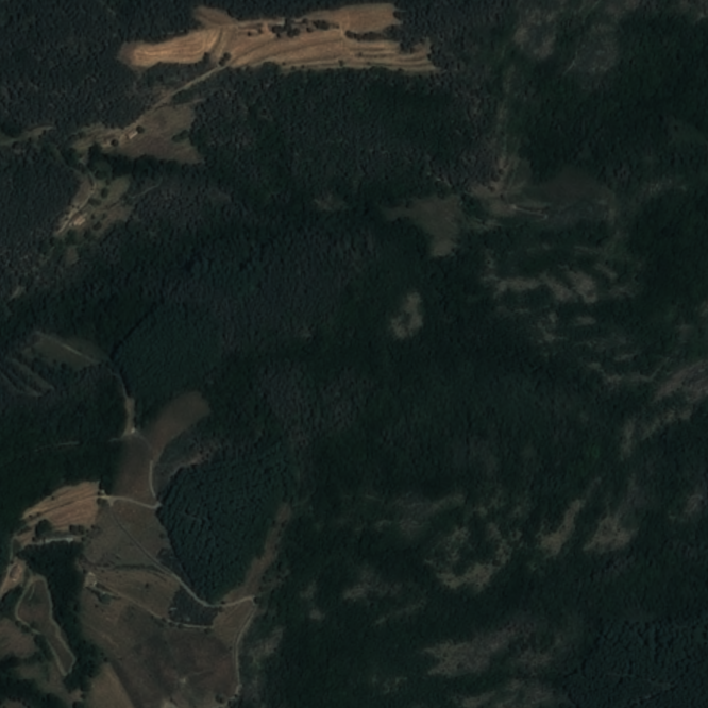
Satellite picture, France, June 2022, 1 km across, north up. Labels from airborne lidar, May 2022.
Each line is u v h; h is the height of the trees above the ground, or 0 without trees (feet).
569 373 49
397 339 26
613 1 0
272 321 61
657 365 42
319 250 63
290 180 71
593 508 25
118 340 31
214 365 82
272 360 67
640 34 30
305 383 30
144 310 36
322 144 43
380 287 41
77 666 27
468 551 53
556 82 25
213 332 57
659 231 28
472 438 27
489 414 28
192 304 72
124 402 25
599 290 0
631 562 52
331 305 50
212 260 78
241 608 0
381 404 60
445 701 53
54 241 56
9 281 27
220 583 85
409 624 28
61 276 34
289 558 31
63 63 57
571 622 18
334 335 51
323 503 34
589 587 52
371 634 65
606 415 55
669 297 29
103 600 49
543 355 21
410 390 31
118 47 52
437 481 31
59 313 29
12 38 62
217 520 83
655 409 36
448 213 0
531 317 40
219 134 34
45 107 62
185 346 95
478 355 83
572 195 0
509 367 78
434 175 34
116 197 0
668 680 81
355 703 66
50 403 36
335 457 45
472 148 53
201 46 0
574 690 81
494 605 67
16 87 50
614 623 39
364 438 35
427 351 59
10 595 51
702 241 34
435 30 46
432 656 31
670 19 37
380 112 45
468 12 58
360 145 42
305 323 51
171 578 0
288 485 60
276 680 32
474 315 31
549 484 45
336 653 38
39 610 0
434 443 45
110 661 29
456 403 43
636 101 42
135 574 0
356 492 26
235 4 55
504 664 31
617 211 0
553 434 32
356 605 53
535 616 22
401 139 46
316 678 68
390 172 50
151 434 0
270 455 85
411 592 29
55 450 43
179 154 0
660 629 75
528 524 38
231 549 73
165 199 49
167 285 85
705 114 32
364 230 40
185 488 65
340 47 0
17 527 38
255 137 35
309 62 0
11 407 44
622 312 24
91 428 39
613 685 95
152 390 97
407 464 39
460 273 55
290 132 42
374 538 31
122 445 27
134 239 62
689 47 50
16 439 38
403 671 44
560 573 58
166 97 0
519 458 34
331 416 44
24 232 53
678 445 63
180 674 0
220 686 0
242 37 0
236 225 49
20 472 50
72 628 73
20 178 54
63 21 58
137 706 0
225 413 35
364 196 52
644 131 47
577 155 33
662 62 53
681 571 43
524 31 0
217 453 21
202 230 34
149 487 0
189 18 41
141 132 38
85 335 34
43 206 51
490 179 31
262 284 81
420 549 34
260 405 21
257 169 45
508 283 0
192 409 0
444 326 42
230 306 54
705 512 27
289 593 44
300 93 69
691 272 38
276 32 38
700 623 79
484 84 44
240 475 86
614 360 24
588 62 0
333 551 40
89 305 53
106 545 0
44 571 54
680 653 84
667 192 24
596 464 34
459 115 46
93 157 50
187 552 68
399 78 40
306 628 51
